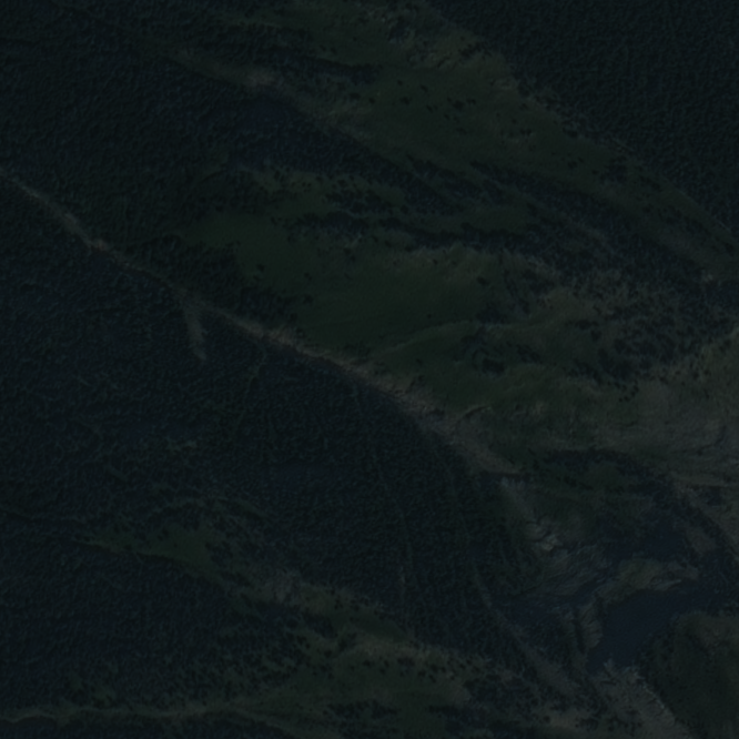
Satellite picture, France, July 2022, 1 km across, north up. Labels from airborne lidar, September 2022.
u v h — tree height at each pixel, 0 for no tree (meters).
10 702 20
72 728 7
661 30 10
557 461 7
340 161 13
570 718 0
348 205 11
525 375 0
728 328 7
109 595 17
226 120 29
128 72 25
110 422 20
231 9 12
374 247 0
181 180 22
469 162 0
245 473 12
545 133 0
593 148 0
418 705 0
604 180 8
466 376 0
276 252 0
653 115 9
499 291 0
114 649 21
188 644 14
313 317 0
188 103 27
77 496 18
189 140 27
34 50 26
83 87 25
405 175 11
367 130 0
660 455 0
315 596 0
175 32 21
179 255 22
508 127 0
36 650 23
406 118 0
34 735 22
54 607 16
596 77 9
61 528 27
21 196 16
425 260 0
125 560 7
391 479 21
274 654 8
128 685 8
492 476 9
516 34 7
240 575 0
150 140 22
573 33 8
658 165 10
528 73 8
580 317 0
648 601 0
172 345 11
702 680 0
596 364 0
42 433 15
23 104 32
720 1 10
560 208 16
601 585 0
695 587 11
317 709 0
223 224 0
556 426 0
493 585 15
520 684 18
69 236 14
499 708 14
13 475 27
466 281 0
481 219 0
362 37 0
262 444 22
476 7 10
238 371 11
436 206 13
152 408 17
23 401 23
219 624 11
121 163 16
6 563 16
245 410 11
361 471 9
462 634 8
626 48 11
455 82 0
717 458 0
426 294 0
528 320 0
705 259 0
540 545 0
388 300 0
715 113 9
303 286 0
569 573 0
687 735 0
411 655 0
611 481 0
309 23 0
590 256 9
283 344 0
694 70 11
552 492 0
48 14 32
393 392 0
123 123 27
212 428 12
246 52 21
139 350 8
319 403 8
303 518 10
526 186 9
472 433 0
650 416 0
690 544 10
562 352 0
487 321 7
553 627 14
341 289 0
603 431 0
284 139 17
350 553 12
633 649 6
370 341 0
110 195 23
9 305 12
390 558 8
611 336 0
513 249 6
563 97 9
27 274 36
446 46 0
